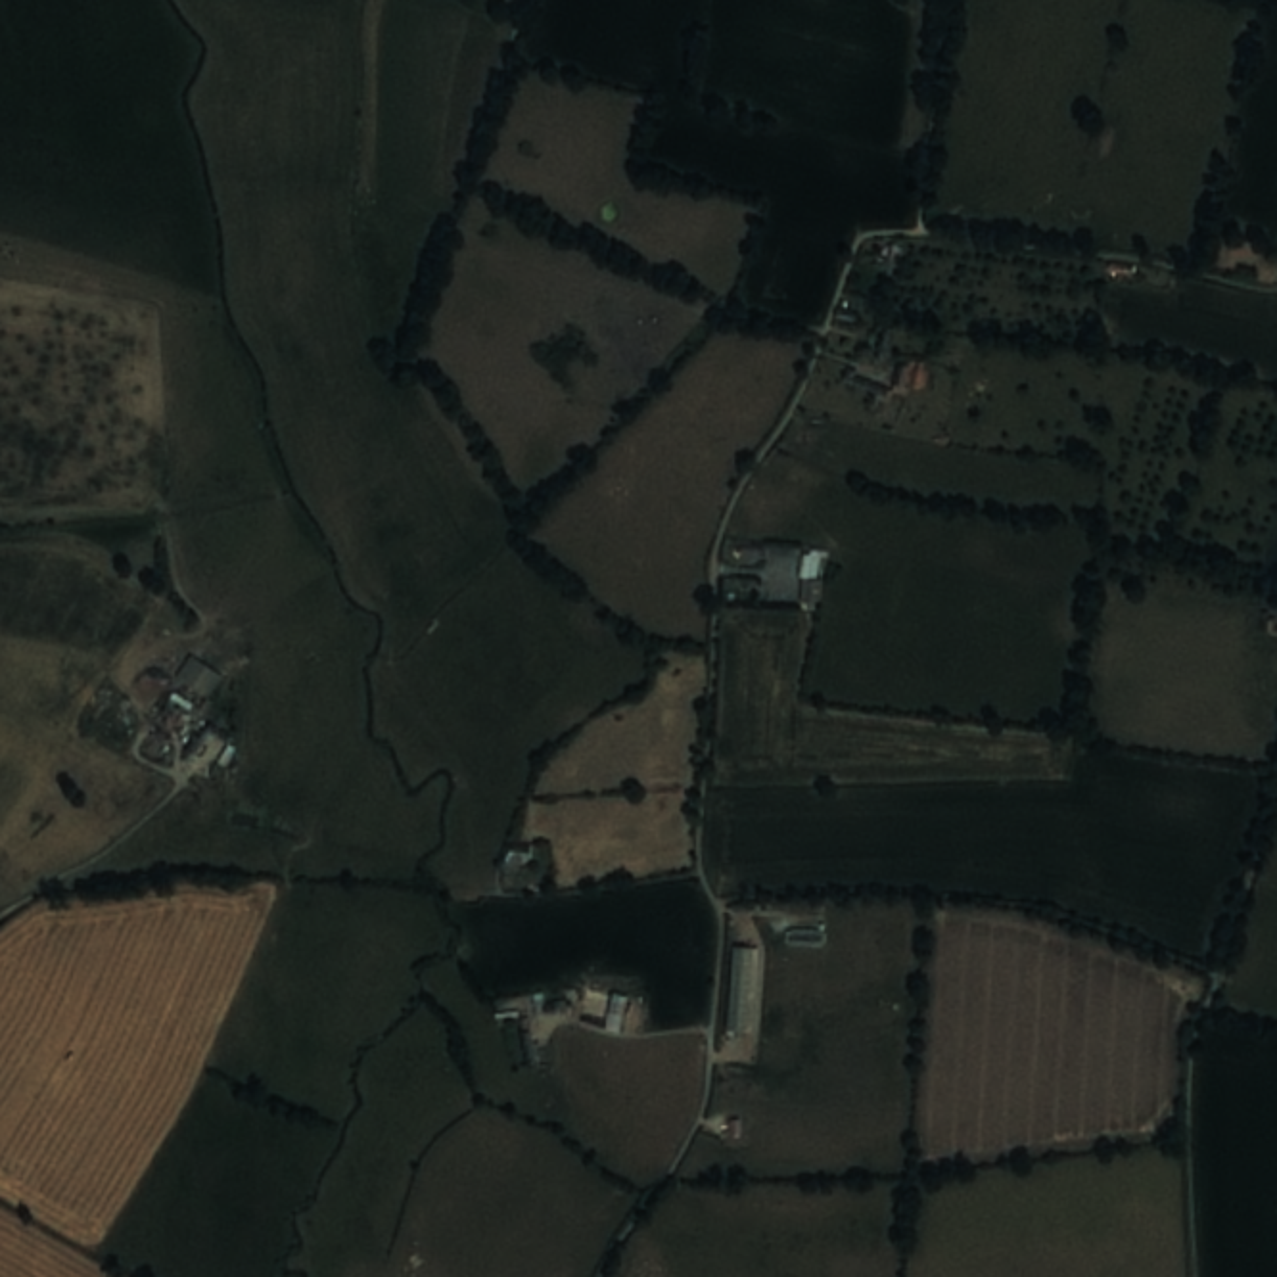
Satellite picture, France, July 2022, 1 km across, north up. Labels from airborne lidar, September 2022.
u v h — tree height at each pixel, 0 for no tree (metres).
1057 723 23
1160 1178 0
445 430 0
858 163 0
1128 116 0
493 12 15
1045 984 0
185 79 0
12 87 0
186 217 0
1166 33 0
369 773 0
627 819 0
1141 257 20
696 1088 0
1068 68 0
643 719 0
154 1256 0
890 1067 0
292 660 0
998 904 7
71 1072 0
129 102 0
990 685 0
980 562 0
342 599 0
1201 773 0
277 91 0
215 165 0
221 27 0
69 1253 0
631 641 16
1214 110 0
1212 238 27
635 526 0
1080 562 0
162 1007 0
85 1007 0
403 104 0
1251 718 0
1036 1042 0
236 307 0
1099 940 14
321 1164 0
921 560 0
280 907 0
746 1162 0
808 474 0
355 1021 0
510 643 0
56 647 0
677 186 12
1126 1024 0
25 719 0
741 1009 0
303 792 0
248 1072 0
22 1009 0
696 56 18
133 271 0
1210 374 19
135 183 0
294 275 0
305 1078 0
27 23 0
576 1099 0
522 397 0
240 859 0
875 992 0
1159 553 18
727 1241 0
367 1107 0
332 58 0
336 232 0
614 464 0
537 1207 0
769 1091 0
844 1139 0
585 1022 0
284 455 0
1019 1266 0
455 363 0
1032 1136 0
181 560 0
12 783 0
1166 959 18
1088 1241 0
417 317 17
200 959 0
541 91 0
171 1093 0
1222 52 0
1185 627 0
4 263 0
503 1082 0
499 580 0
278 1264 6
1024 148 0
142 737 0
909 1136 12
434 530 0
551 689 0
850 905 8
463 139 0
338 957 0
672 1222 0
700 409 0
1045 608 0
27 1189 0
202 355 0
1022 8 0
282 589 0
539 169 0
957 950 0
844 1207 0
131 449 0
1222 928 16
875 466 0
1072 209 0
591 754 0
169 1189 0
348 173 0
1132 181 0
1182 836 0
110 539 0
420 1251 0
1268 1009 0
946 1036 0
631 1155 0
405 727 0
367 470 0
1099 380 0
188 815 0
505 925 0
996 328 7
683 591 0
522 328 0
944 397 0
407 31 0
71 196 0
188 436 0
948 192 0
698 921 0
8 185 0
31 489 0
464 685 0
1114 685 0
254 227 0
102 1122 0
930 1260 0
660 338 0
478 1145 0
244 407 0
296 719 0
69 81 0
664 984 0
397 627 0
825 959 0
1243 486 0
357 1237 0
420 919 0
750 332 14
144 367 0
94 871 0
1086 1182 0
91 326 0
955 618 0
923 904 16
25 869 0
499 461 10
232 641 0
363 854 0
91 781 0
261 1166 0
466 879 0
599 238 15
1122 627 0
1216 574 21
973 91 0
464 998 0
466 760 0
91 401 0
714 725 7
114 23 0
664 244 0
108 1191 0
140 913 0
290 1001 0
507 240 0
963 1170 17
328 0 0
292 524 0
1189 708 0
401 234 0
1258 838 16
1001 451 8
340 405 0
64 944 0
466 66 0
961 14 19
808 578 0
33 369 0
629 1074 0
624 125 0
